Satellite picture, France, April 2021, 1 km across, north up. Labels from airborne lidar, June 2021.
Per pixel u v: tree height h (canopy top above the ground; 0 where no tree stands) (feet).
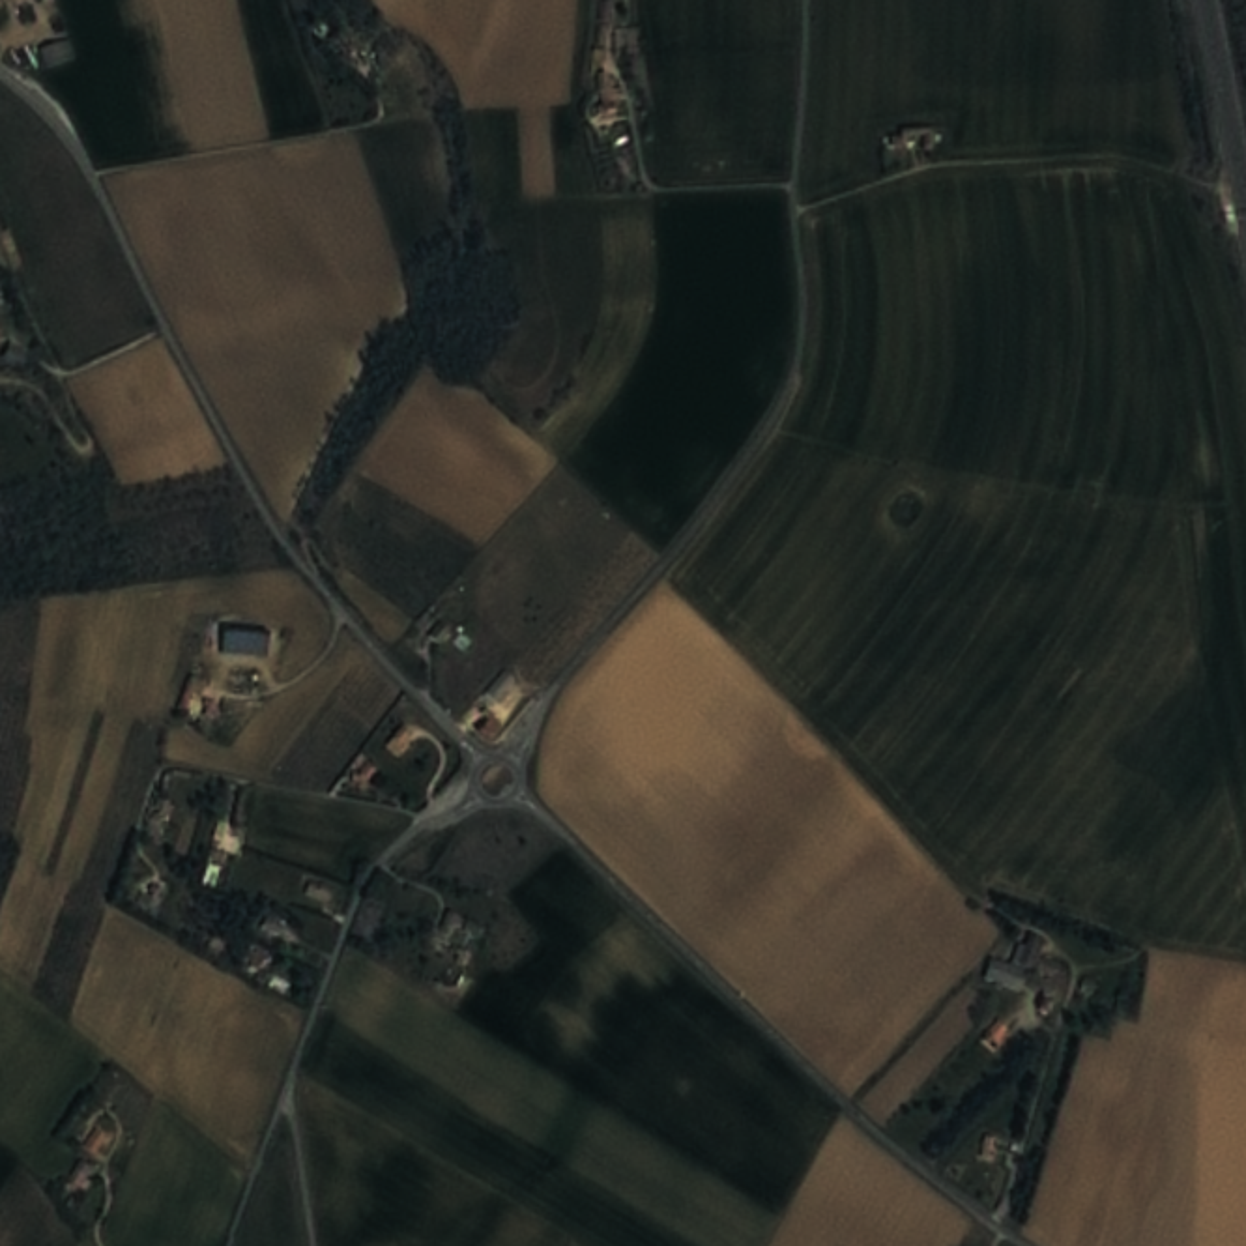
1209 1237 0
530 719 0
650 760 0
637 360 0
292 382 0
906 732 0
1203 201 0
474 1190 0
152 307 0
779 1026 0
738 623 0
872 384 0
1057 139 0
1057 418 0
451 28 0
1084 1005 31
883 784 0
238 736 0
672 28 0
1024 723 0
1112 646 0
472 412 0
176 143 0
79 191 0
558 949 0
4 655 0
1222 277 0
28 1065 0
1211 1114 0
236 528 18
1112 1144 0
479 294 36
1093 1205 0
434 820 0
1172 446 0
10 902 0
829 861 0
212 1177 0
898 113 0
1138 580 0
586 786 0
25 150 0
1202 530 0
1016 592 0
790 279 0
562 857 0
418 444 0
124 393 0
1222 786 0
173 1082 0
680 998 0
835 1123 0
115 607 0
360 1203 0
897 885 0
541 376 0
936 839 0
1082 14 0
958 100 0
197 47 0
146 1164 0
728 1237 0
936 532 0
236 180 0
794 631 0
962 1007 0
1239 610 0
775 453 0
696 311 0
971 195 0
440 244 28
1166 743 0
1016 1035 0
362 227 0
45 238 0
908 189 0
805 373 0
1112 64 0
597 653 0
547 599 0
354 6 26
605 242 0
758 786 0
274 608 0
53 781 0
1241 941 0
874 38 0
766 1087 0
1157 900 0
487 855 0
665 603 0
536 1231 0
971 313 0
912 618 0
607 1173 0
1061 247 0
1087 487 0
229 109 0
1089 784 0
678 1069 0
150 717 0
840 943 0
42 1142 0
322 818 0
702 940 0
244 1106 0
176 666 0
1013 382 0
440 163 0
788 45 0
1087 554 0
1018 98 0
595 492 0
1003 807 0
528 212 0
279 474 0
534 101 0
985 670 0
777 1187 0
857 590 0
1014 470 0
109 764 0
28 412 29
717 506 0
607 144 27
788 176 0
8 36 0
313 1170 0
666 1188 0
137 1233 0
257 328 0
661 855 0
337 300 0
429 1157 0
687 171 0
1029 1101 40
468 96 0
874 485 0
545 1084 0
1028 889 0
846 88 0
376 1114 0
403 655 0
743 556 0
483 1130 0
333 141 0
